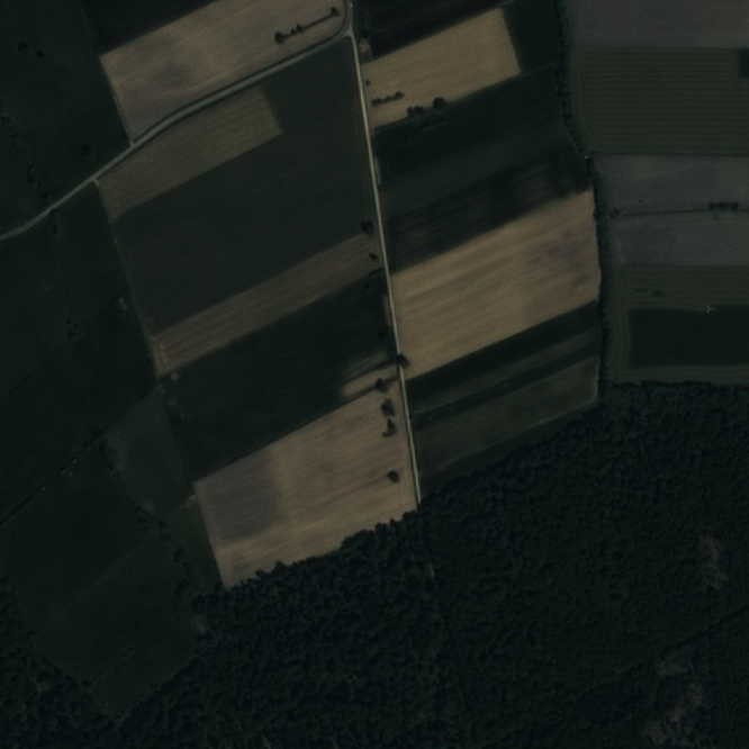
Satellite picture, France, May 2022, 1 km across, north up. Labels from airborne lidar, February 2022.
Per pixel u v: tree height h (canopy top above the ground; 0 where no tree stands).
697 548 22
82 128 0
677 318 0
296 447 0
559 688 26
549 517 30
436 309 0
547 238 0
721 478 20
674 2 0
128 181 0
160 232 0
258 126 0
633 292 0
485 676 22
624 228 0
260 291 0
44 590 0
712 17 0
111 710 0
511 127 0
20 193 0
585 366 0
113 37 0
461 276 0
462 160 0
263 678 28
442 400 0
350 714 33
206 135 0
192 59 0
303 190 0
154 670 0
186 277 0
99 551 0
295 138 0
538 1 0
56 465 0
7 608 18
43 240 0
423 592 26
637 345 0
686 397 19
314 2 0
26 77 0
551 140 0
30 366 0
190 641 0
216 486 0
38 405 0
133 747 25
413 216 0
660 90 0
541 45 0
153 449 0
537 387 0
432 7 0
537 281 0
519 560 29
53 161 0
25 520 0
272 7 0
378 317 0
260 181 0
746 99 0
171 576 0
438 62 0
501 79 0
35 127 0
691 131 0
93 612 0
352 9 0
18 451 0
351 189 0
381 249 0
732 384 0
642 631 24
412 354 0
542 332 0
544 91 0
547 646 27
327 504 0
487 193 0
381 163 0
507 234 0
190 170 0
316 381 0
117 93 0
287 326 0
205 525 0
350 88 0
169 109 0
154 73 0
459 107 0
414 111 12
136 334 0
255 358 0
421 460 0
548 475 28
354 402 0
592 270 0
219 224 0
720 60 0
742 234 0
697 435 24
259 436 0
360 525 0
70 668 0
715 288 0
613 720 24
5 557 0
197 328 0
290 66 0
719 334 0
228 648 22
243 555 0
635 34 0
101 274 0
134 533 0
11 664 25
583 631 26
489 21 0
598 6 0
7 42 0
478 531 29
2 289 0
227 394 0
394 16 0
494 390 0
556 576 27
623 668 23
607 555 29
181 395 0
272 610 15
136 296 0
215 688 23
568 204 0
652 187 0
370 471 0
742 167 0
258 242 0
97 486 0
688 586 23
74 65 0
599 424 27
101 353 0
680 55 0
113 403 0
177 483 0
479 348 0
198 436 0
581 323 0
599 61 0
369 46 0
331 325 0
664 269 0
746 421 7
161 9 0
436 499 15
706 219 0
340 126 0
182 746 28
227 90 0
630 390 14
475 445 0
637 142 0
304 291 0
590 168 14
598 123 0
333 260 0
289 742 30
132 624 0
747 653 20
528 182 0
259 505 0
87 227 0
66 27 0
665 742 0
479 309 0
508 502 28
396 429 10
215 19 0
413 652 10
